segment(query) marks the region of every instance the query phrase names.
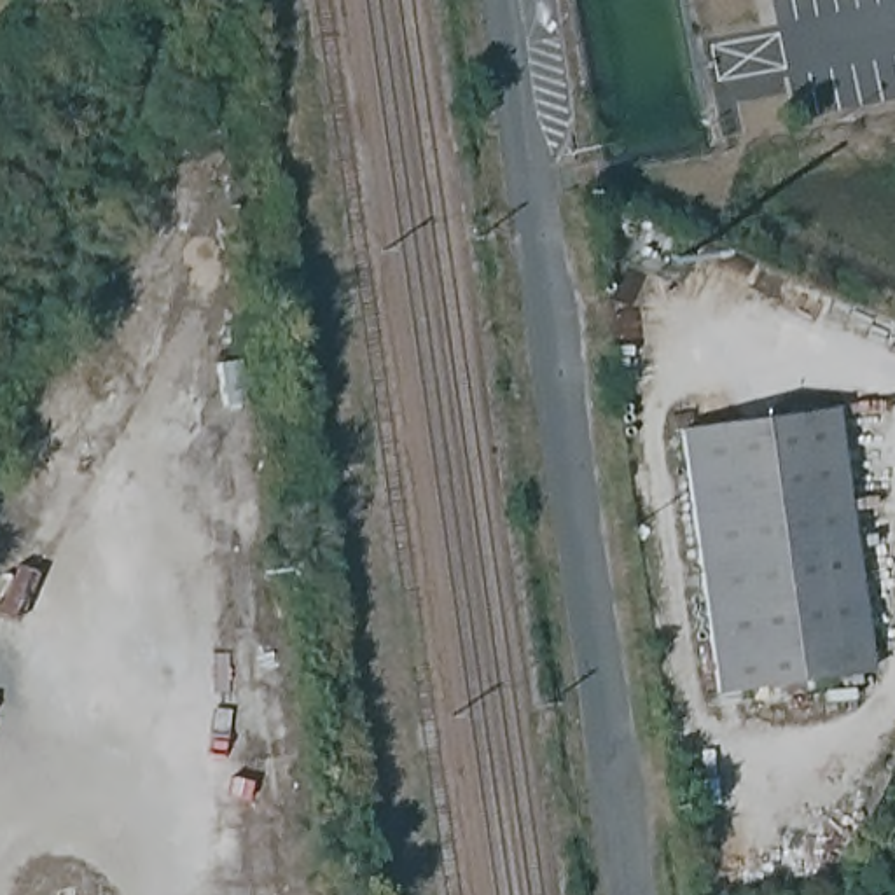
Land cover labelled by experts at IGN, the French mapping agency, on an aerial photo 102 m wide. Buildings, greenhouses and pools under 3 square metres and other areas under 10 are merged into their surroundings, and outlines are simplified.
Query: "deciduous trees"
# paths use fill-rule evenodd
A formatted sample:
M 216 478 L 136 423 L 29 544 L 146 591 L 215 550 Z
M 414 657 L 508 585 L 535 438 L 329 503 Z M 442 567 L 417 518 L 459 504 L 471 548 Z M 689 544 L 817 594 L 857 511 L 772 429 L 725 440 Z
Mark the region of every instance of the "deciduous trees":
M 336 461 L 325 441 L 329 392 L 311 357 L 311 311 L 301 304 L 304 255 L 294 217 L 297 196 L 294 182 L 280 171 L 273 150 L 273 133 L 287 133 L 290 112 L 276 108 L 276 24 L 273 7 L 266 0 L 0 0 L 0 500 L 7 503 L 21 496 L 21 489 L 31 479 L 24 472 L 17 427 L 24 416 L 24 402 L 42 413 L 42 399 L 49 395 L 52 381 L 70 374 L 80 353 L 94 353 L 108 343 L 94 336 L 84 308 L 87 290 L 105 283 L 98 259 L 129 259 L 129 245 L 140 238 L 143 227 L 161 234 L 175 224 L 175 189 L 185 161 L 199 161 L 206 154 L 224 154 L 231 161 L 231 192 L 238 199 L 241 227 L 224 238 L 220 283 L 213 297 L 224 301 L 224 315 L 234 318 L 227 350 L 234 350 L 231 364 L 238 364 L 238 388 L 245 409 L 252 413 L 248 472 L 259 493 L 259 538 L 252 545 L 252 566 L 262 570 L 269 580 L 273 612 L 287 608 L 287 615 L 276 619 L 276 636 L 280 650 L 297 657 L 297 664 L 287 668 L 294 689 L 294 717 L 304 720 L 304 731 L 297 734 L 297 766 L 308 801 L 304 815 L 297 815 L 297 829 L 304 829 L 304 839 L 315 846 L 304 878 L 311 885 L 311 895 L 399 895 L 399 888 L 385 878 L 392 846 L 374 815 L 378 776 L 353 661 L 353 601 L 343 559 L 343 531 L 332 507 Z
M 458 129 L 475 126 L 486 133 L 489 122 L 496 122 L 493 73 L 482 63 L 451 73 L 451 115 Z
M 510 486 L 507 521 L 521 535 L 521 542 L 538 535 L 538 521 L 538 514 L 528 510 L 521 486 Z
M 566 839 L 570 895 L 598 895 L 598 871 L 587 843 L 584 836 Z
M 619 189 L 605 189 L 598 178 L 573 185 L 573 192 L 584 196 L 587 210 L 594 283 L 608 287 L 612 280 L 612 238 L 629 231 L 633 217 L 650 220 L 657 231 L 671 234 L 671 245 L 678 248 L 689 248 L 706 238 L 706 220 L 682 217 L 664 203 L 622 196 Z
M 853 843 L 843 843 L 839 850 L 843 885 L 818 885 L 801 892 L 773 888 L 752 895 L 895 895 L 895 776 L 885 790 L 885 801 L 878 808 L 864 808 L 864 822 L 857 825 Z
M 717 801 L 706 797 L 696 773 L 689 773 L 689 755 L 671 738 L 671 717 L 664 710 L 661 682 L 671 678 L 671 647 L 657 643 L 657 626 L 629 633 L 629 640 L 619 647 L 629 699 L 629 734 L 640 755 L 650 748 L 668 759 L 668 790 L 675 811 L 671 818 L 664 818 L 664 825 L 657 825 L 647 836 L 654 895 L 706 895 L 713 881 L 727 878 L 724 846 L 699 846 L 699 825 L 710 822 Z
M 752 266 L 769 262 L 776 269 L 787 269 L 797 280 L 815 283 L 867 311 L 878 301 L 878 287 L 864 283 L 853 273 L 829 273 L 811 255 L 794 255 L 790 248 L 776 245 L 773 234 L 762 231 L 755 220 L 738 224 L 720 248 L 748 255 Z
M 549 577 L 535 573 L 528 580 L 538 685 L 549 703 L 563 699 L 563 668 L 556 657 Z
M 605 416 L 626 413 L 629 395 L 640 392 L 640 381 L 629 378 L 622 346 L 615 346 L 605 357 L 598 357 L 594 406 Z

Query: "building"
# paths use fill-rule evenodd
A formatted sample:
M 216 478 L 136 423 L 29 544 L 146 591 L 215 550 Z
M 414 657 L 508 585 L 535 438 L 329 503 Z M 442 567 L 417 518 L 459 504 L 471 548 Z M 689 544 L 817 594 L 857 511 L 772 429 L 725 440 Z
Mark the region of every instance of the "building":
M 843 409 L 815 409 L 773 420 L 689 427 L 706 577 L 717 619 L 720 675 L 727 692 L 790 692 L 794 685 L 811 689 L 818 675 L 829 671 L 871 675 L 874 682 L 881 678 L 885 661 L 874 650 L 871 629 L 871 601 L 864 584 L 857 524 L 860 496 L 853 496 Z

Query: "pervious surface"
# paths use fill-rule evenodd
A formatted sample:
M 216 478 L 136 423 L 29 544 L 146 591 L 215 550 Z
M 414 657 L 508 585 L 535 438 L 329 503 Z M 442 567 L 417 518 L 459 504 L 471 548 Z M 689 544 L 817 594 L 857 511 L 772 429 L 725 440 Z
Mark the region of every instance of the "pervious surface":
M 661 545 L 657 626 L 657 643 L 671 647 L 671 678 L 661 682 L 664 710 L 671 717 L 671 738 L 689 755 L 689 773 L 696 773 L 706 797 L 717 801 L 710 822 L 699 825 L 699 846 L 724 846 L 727 878 L 713 881 L 706 895 L 752 895 L 773 888 L 801 892 L 818 885 L 843 885 L 839 850 L 843 843 L 853 843 L 857 825 L 864 822 L 864 808 L 878 808 L 885 801 L 885 790 L 895 776 L 895 318 L 867 311 L 815 283 L 797 280 L 787 269 L 776 269 L 769 262 L 752 266 L 748 255 L 720 248 L 682 255 L 678 248 L 671 245 L 671 234 L 657 231 L 650 220 L 633 217 L 629 231 L 612 238 L 612 280 L 615 294 L 608 297 L 608 311 L 615 346 L 622 346 L 629 378 L 640 381 L 640 392 L 629 395 L 626 413 L 626 437 L 636 437 L 643 444 L 643 461 L 636 472 L 640 489 L 629 493 L 633 517 L 640 524 L 640 538 L 654 538 Z M 871 675 L 829 671 L 818 675 L 811 689 L 794 685 L 790 692 L 727 692 L 720 675 L 717 619 L 706 577 L 689 427 L 773 420 L 815 409 L 843 409 L 853 496 L 860 496 L 857 524 L 864 584 L 871 601 L 871 629 L 874 650 L 885 661 L 881 678 L 874 682 Z
M 136 416 L 150 413 L 154 406 L 171 406 L 185 388 L 196 395 L 203 395 L 213 385 L 220 388 L 217 402 L 203 399 L 203 437 L 182 451 L 182 465 L 210 475 L 220 489 L 220 500 L 241 500 L 238 528 L 217 517 L 203 517 L 199 528 L 206 538 L 213 538 L 213 563 L 224 577 L 217 633 L 238 640 L 238 671 L 227 671 L 227 657 L 213 654 L 213 692 L 217 703 L 241 706 L 238 741 L 227 759 L 241 769 L 241 780 L 248 780 L 252 787 L 238 801 L 238 857 L 210 871 L 210 895 L 311 895 L 311 885 L 304 878 L 315 846 L 304 839 L 304 829 L 297 829 L 297 815 L 304 815 L 308 801 L 297 766 L 297 734 L 304 731 L 304 720 L 294 717 L 294 689 L 287 668 L 297 664 L 297 657 L 280 650 L 276 636 L 276 619 L 287 615 L 287 608 L 273 612 L 269 580 L 262 570 L 252 566 L 252 545 L 259 538 L 259 493 L 248 472 L 252 413 L 245 409 L 238 388 L 238 364 L 231 364 L 234 350 L 227 350 L 234 318 L 224 315 L 224 301 L 213 297 L 220 283 L 224 238 L 241 227 L 238 199 L 231 192 L 231 161 L 224 154 L 206 154 L 199 161 L 185 161 L 175 189 L 175 224 L 161 234 L 143 227 L 140 238 L 129 245 L 129 259 L 98 259 L 105 283 L 87 290 L 84 308 L 94 336 L 108 343 L 94 353 L 80 353 L 70 374 L 52 381 L 49 395 L 42 399 L 42 413 L 24 402 L 24 416 L 17 427 L 24 472 L 31 479 L 21 489 L 21 496 L 7 503 L 0 500 L 0 615 L 24 619 L 24 573 L 28 559 L 35 556 L 24 535 L 38 531 L 42 514 L 56 503 L 63 486 L 63 472 L 49 458 L 63 451 L 70 461 L 77 461 L 80 472 L 105 468 L 112 448 L 126 437 Z
M 496 346 L 489 336 L 482 273 L 475 259 L 472 178 L 468 164 L 458 157 L 458 129 L 451 115 L 451 73 L 441 0 L 297 0 L 294 14 L 308 17 L 318 77 L 325 77 L 329 94 L 329 168 L 311 182 L 308 210 L 322 234 L 322 248 L 332 255 L 336 269 L 360 269 L 360 287 L 350 287 L 346 308 L 350 339 L 343 353 L 346 388 L 339 399 L 339 420 L 357 420 L 374 430 L 374 503 L 364 517 L 371 577 L 367 629 L 374 636 L 374 675 L 385 685 L 381 696 L 395 731 L 392 755 L 402 773 L 395 801 L 413 801 L 423 811 L 423 825 L 413 832 L 413 843 L 441 846 L 441 867 L 430 881 L 420 885 L 420 895 L 559 895 L 559 846 L 552 839 L 552 808 L 542 780 L 545 766 L 538 755 L 549 745 L 552 731 L 549 703 L 538 685 L 528 580 L 521 542 L 521 535 L 507 521 L 510 486 L 507 427 L 500 413 L 489 413 L 489 392 L 496 392 Z
M 0 643 L 0 710 L 7 703 L 7 692 L 21 689 L 21 654 L 10 643 Z

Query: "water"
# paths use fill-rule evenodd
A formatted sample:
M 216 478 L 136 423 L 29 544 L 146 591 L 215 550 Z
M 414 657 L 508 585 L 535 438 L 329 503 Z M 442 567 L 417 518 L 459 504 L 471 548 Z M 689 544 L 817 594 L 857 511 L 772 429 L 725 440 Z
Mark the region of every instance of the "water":
M 587 94 L 594 101 L 594 119 L 608 129 L 601 143 L 605 168 L 633 164 L 643 171 L 647 161 L 710 154 L 710 133 L 703 126 L 689 70 L 689 38 L 682 14 L 685 0 L 573 0 L 587 59 Z

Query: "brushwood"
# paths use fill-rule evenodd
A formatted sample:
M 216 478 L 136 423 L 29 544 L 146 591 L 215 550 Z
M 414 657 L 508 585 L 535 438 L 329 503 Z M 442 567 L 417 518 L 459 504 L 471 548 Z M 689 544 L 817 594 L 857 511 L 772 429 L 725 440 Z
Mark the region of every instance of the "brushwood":
M 458 157 L 468 164 L 472 178 L 482 175 L 486 133 L 475 126 L 458 129 Z
M 731 182 L 734 203 L 748 203 L 748 196 L 762 185 L 773 185 L 783 175 L 797 171 L 804 164 L 801 147 L 822 140 L 822 133 L 811 126 L 815 112 L 790 101 L 783 108 L 787 129 L 755 140 L 741 157 L 741 168 Z

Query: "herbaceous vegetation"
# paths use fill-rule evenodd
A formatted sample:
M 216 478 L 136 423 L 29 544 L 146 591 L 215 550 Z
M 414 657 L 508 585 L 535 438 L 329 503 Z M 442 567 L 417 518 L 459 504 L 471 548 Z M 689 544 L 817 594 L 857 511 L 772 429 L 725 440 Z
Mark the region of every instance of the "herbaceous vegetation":
M 710 133 L 710 154 L 647 161 L 643 171 L 633 164 L 605 168 L 598 178 L 605 189 L 619 189 L 622 196 L 664 203 L 682 217 L 706 220 L 706 238 L 689 248 L 678 248 L 682 255 L 720 248 L 738 224 L 755 220 L 762 231 L 773 234 L 776 245 L 790 248 L 794 255 L 811 255 L 829 273 L 853 273 L 864 283 L 878 287 L 878 301 L 867 311 L 895 318 L 895 0 L 685 0 L 682 14 L 689 38 L 689 70 L 703 126 Z M 773 185 L 762 185 L 748 196 L 748 203 L 734 203 L 731 182 L 741 168 L 741 157 L 755 140 L 787 129 L 783 108 L 790 101 L 815 112 L 811 126 L 822 133 L 822 140 L 801 147 L 804 164 L 797 171 L 783 175 Z
M 395 731 L 381 696 L 385 685 L 374 675 L 374 636 L 367 629 L 371 577 L 364 517 L 374 503 L 374 430 L 357 420 L 339 420 L 339 399 L 346 388 L 343 353 L 350 339 L 346 308 L 350 287 L 360 287 L 360 269 L 336 269 L 332 255 L 322 248 L 322 234 L 308 210 L 311 182 L 329 168 L 329 94 L 325 77 L 318 77 L 308 17 L 294 14 L 297 0 L 266 0 L 273 7 L 276 24 L 276 108 L 290 112 L 287 133 L 273 133 L 273 150 L 280 171 L 294 182 L 297 196 L 294 217 L 304 255 L 301 304 L 311 311 L 311 357 L 329 392 L 325 441 L 336 461 L 332 507 L 343 531 L 343 559 L 353 601 L 353 661 L 378 776 L 374 815 L 392 846 L 385 878 L 399 888 L 399 895 L 420 895 L 420 885 L 430 881 L 441 867 L 441 846 L 413 843 L 413 832 L 423 825 L 423 811 L 413 801 L 395 801 L 402 773 L 392 755 Z
M 657 626 L 661 545 L 654 538 L 640 538 L 640 524 L 633 517 L 629 493 L 640 489 L 636 472 L 643 461 L 643 444 L 636 437 L 626 437 L 626 413 L 605 416 L 594 406 L 598 357 L 605 357 L 615 346 L 608 311 L 608 297 L 615 294 L 612 280 L 608 287 L 594 283 L 587 210 L 584 196 L 573 192 L 556 196 L 556 210 L 566 217 L 563 255 L 577 297 L 587 437 L 619 647 L 629 640 L 629 633 Z
M 475 259 L 482 273 L 489 336 L 496 346 L 496 392 L 489 392 L 489 413 L 500 413 L 507 427 L 510 486 L 521 486 L 528 510 L 538 514 L 538 475 L 545 468 L 538 461 L 538 430 L 531 423 L 531 339 L 524 315 L 517 311 L 524 301 L 517 290 L 517 266 L 510 255 L 514 217 L 528 203 L 500 199 L 503 154 L 496 122 L 489 122 L 486 133 L 482 175 L 472 178 Z
M 552 808 L 552 839 L 559 846 L 559 895 L 570 895 L 566 839 L 584 836 L 587 843 L 594 836 L 587 801 L 591 755 L 584 738 L 584 703 L 570 633 L 570 608 L 563 594 L 563 556 L 552 545 L 549 524 L 538 521 L 538 535 L 521 542 L 528 580 L 535 573 L 549 577 L 556 657 L 563 668 L 563 699 L 549 703 L 552 731 L 549 745 L 538 755 L 545 766 L 542 780 Z
M 35 857 L 17 871 L 10 895 L 119 895 L 101 871 L 94 871 L 80 857 Z
M 482 14 L 475 7 L 479 0 L 441 0 L 451 73 L 482 63 L 489 42 L 482 38 Z
M 647 836 L 657 825 L 664 825 L 664 818 L 671 818 L 675 811 L 668 790 L 668 759 L 650 748 L 640 755 L 640 773 L 647 783 Z
M 577 122 L 570 143 L 601 143 L 608 129 L 594 119 L 594 101 L 587 94 L 577 98 Z

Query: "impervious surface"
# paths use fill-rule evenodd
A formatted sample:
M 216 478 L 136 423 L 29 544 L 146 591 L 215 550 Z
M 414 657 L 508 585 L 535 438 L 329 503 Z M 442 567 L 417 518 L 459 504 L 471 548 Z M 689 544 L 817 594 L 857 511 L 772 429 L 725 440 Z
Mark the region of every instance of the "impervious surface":
M 584 703 L 584 738 L 591 755 L 587 801 L 594 836 L 587 843 L 598 871 L 598 895 L 654 895 L 647 836 L 647 783 L 640 773 L 640 755 L 629 734 L 629 699 L 619 647 L 587 437 L 577 297 L 563 255 L 566 217 L 556 210 L 556 196 L 573 192 L 573 185 L 598 178 L 605 168 L 601 143 L 570 143 L 577 122 L 577 98 L 587 94 L 587 59 L 573 0 L 479 0 L 475 7 L 482 14 L 482 38 L 489 42 L 482 63 L 493 73 L 496 122 L 503 154 L 500 199 L 528 203 L 514 217 L 510 255 L 517 266 L 517 290 L 524 301 L 517 311 L 524 315 L 531 339 L 531 423 L 538 430 L 538 461 L 545 468 L 538 475 L 538 514 L 538 521 L 549 524 L 552 545 L 563 556 L 563 594 L 570 608 L 570 633 Z
M 238 528 L 241 500 L 220 500 L 220 489 L 210 475 L 182 465 L 182 451 L 203 437 L 203 399 L 217 402 L 220 388 L 213 385 L 203 395 L 196 395 L 185 388 L 171 406 L 154 406 L 150 413 L 136 416 L 126 437 L 112 448 L 105 468 L 80 472 L 77 461 L 70 461 L 63 451 L 49 458 L 63 472 L 63 486 L 56 503 L 42 514 L 38 531 L 24 535 L 35 556 L 28 559 L 24 573 L 24 619 L 0 615 L 0 643 L 10 643 L 21 654 L 21 689 L 7 692 L 7 703 L 0 710 L 0 895 L 10 895 L 17 871 L 35 857 L 80 857 L 94 871 L 101 871 L 119 895 L 210 895 L 210 871 L 238 857 L 238 801 L 252 787 L 248 780 L 241 780 L 241 769 L 227 759 L 238 741 L 241 706 L 217 703 L 213 692 L 213 654 L 227 657 L 227 671 L 238 671 L 238 640 L 217 633 L 224 577 L 213 563 L 213 538 L 206 538 L 199 528 L 203 517 L 217 517 Z

